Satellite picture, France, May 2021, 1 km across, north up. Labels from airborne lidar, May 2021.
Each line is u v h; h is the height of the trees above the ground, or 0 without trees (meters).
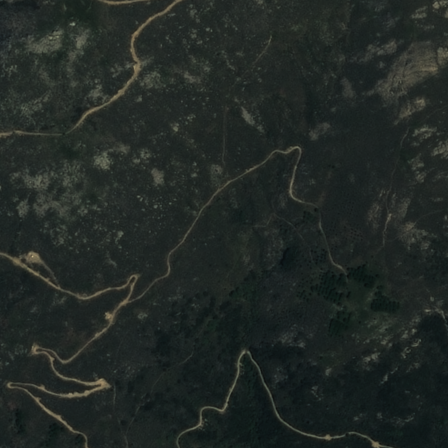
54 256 0
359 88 0
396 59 0
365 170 0
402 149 0
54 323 0
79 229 0
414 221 0
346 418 9
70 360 0
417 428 6
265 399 7
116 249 0
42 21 0
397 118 0
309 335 0
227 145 0
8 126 0
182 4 0
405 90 0
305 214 12
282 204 0
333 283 9
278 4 0
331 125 0
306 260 7
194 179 0
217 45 0
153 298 0
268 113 0
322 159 0
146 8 0
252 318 12
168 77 0
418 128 0
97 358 0
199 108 0
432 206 0
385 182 0
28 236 0
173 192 0
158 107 0
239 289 18
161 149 0
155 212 0
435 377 7
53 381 0
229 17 0
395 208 0
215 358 6
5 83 0
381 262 0
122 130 0
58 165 0
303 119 0
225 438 7
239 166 0
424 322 6
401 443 6
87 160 0
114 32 0
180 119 0
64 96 0
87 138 0
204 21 0
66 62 0
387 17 0
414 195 0
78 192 0
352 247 0
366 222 0
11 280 0
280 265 11
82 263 0
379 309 13
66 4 0
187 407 7
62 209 0
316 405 6
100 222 0
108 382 0
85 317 0
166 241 0
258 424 10
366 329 0
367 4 0
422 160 0
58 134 0
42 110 0
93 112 0
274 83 0
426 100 0
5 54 0
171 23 0
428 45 0
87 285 0
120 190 0
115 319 0
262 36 0
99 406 0
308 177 0
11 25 0
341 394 6
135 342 0
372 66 0
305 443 6
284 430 7
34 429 0
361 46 0
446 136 0
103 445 0
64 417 0
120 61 0
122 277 0
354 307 0
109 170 0
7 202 0
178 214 0
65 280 0
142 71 0
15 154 0
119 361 0
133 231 0
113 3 0
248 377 11
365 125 0
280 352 7
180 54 0
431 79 0
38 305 0
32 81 0
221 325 7
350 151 0
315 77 0
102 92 0
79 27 0
